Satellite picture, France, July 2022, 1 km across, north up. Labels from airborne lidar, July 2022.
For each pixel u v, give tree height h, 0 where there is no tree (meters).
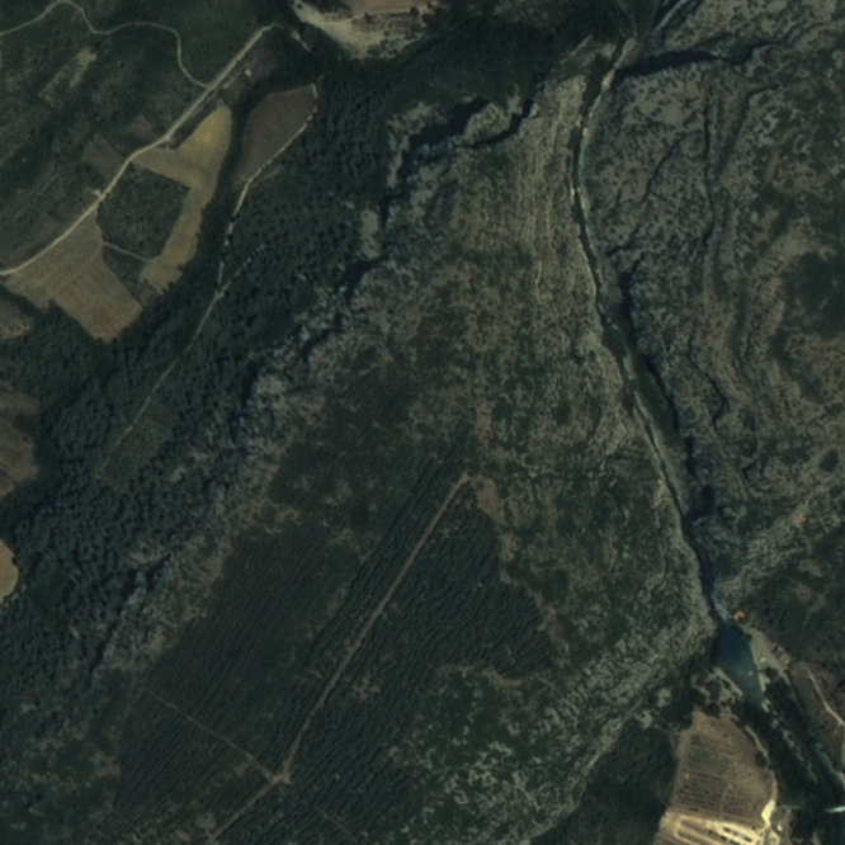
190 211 0
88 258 0
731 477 0
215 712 6
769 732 16
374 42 0
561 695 0
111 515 16
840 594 7
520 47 6
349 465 6
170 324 17
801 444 0
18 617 12
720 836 0
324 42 10
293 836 7
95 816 0
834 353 0
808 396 0
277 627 6
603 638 0
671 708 10
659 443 0
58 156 10
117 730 0
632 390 0
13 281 0
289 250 8
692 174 0
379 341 0
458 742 0
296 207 7
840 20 0
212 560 0
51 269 0
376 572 9
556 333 0
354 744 9
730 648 0
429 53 7
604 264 0
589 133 0
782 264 0
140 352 7
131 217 6
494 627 8
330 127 17
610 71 0
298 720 9
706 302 0
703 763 0
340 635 7
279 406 0
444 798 0
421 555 8
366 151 13
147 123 0
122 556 17
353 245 8
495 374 0
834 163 0
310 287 7
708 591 0
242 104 9
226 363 22
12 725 8
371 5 0
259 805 10
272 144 0
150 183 0
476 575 8
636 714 0
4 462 0
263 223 10
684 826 0
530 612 11
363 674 7
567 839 13
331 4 9
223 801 5
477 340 0
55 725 6
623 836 0
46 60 7
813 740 9
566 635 0
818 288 0
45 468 7
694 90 0
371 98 12
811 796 10
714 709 14
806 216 0
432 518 8
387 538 9
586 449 16
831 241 0
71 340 10
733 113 0
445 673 0
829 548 7
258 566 6
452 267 0
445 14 14
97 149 0
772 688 10
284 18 7
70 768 0
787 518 9
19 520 13
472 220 0
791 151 0
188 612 0
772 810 0
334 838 9
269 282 8
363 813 8
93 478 17
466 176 0
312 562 6
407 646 7
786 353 0
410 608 8
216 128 0
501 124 0
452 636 10
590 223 0
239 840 8
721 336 0
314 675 6
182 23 0
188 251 0
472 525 8
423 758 0
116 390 11
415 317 0
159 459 7
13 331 0
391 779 7
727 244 0
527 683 0
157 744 7
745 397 0
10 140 0
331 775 7
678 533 0
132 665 0
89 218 0
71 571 12
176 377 7
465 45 7
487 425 0
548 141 0
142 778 6
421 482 10
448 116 8
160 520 10
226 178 7
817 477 0
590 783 8
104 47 8
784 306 0
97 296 0
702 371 21
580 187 0
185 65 0
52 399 12
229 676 6
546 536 0
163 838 9
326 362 0
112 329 0
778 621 8
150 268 0
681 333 0
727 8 0
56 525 15
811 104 0
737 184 0
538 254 0
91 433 18
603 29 16
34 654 9
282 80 17
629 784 15
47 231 0
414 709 6
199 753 6
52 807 0
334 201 11
